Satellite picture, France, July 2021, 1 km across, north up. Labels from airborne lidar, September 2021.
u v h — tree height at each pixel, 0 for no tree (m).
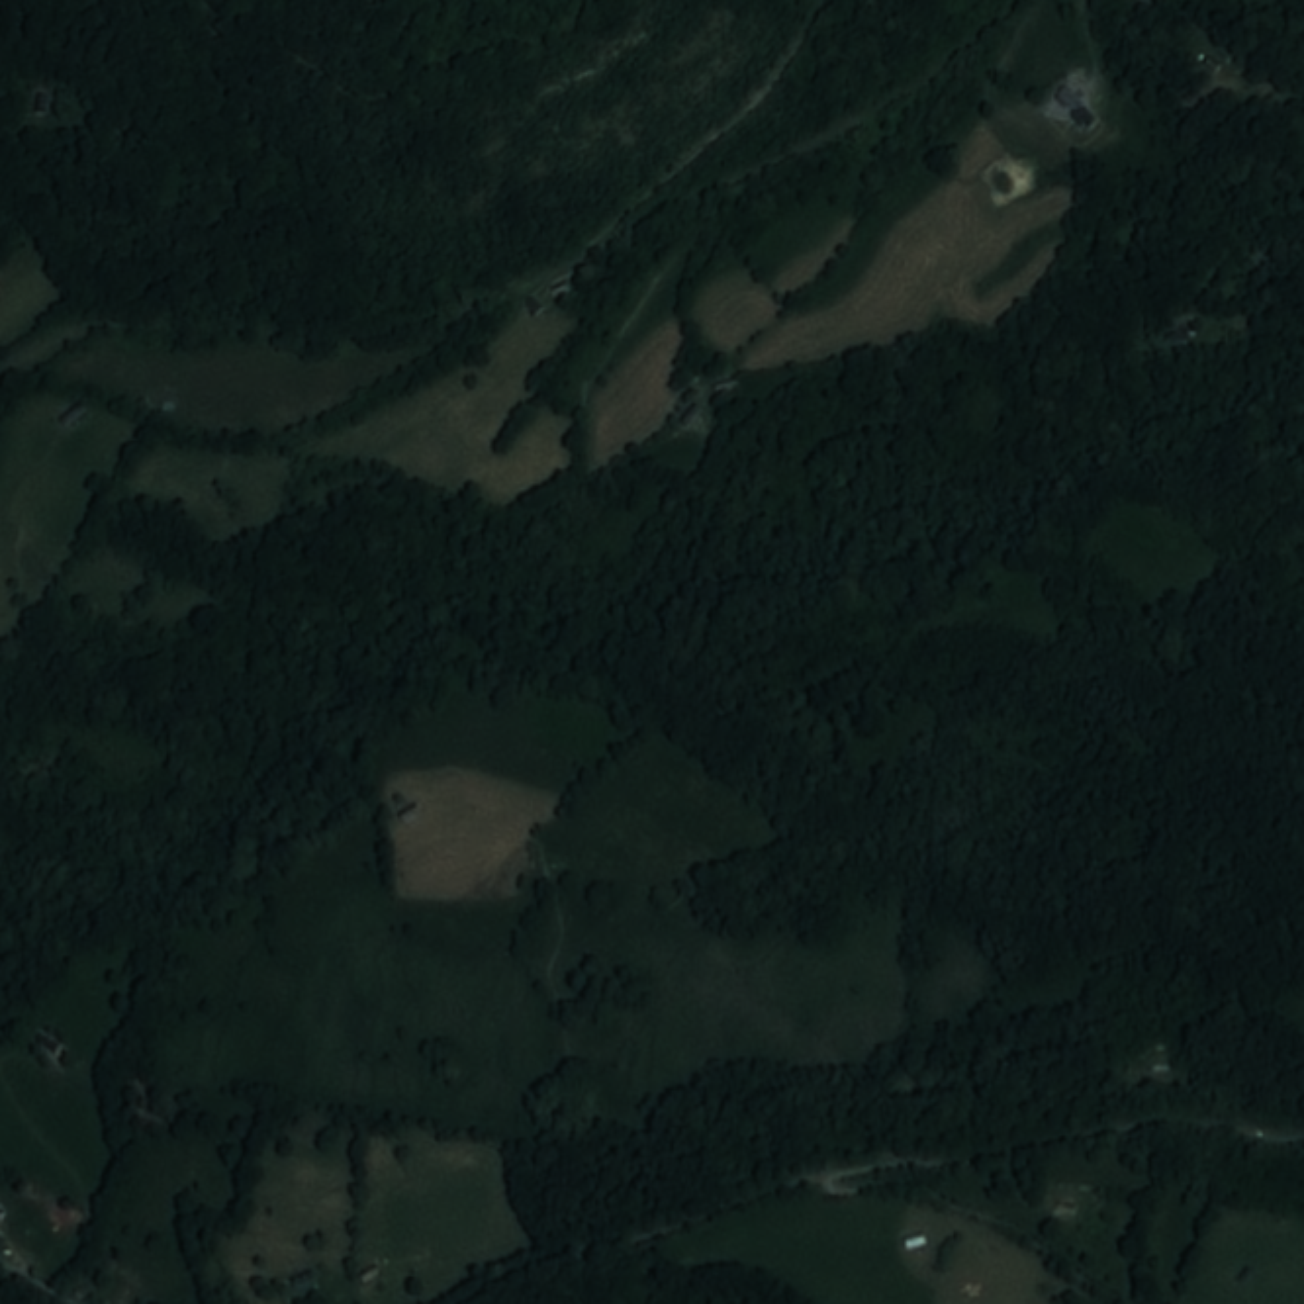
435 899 0
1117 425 17
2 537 0
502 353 0
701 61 6
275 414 0
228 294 23
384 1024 0
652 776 0
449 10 24
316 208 25
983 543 24
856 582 23
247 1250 0
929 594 26
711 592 28
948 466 9
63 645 24
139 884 17
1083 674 23
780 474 19
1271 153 25
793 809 22
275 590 18
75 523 0
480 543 19
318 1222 0
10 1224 0
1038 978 12
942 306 0
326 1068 0
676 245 19
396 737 13
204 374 0
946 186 0
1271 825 21
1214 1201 17
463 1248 0
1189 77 20
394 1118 16
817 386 6
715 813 0
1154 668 9
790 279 0
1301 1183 8
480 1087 0
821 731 12
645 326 0
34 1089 0
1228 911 23
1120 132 0
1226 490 24
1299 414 22
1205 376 10
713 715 21
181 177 9
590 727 0
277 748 11
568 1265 25
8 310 0
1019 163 0
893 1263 0
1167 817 23
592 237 12
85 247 21
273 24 21
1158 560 0
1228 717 21
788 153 15
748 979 0
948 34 18
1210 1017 7
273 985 0
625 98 9
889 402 19
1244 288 11
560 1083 18
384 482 18
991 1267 0
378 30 21
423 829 0
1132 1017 7
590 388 0
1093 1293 14
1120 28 8
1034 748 11
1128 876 28
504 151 7
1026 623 0
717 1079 18
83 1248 7
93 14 20
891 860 16
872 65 15
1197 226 16
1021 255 0
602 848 0
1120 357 18
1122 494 20
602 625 10
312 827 14
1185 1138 16
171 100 24
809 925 17
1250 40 23
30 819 25
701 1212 22
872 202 15
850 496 17
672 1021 0
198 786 23
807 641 7
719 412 15
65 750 8
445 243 10
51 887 13
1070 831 19
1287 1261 0
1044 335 22
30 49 24
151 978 23
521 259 12
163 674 28
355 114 11
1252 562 10
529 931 13
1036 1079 13
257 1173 17
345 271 24
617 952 0
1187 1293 13
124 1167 22
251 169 20
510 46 20
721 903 22
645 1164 29
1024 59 0
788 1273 0
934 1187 12
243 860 21
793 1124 23
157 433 15
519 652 22
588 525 21
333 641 15
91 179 8
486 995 0
